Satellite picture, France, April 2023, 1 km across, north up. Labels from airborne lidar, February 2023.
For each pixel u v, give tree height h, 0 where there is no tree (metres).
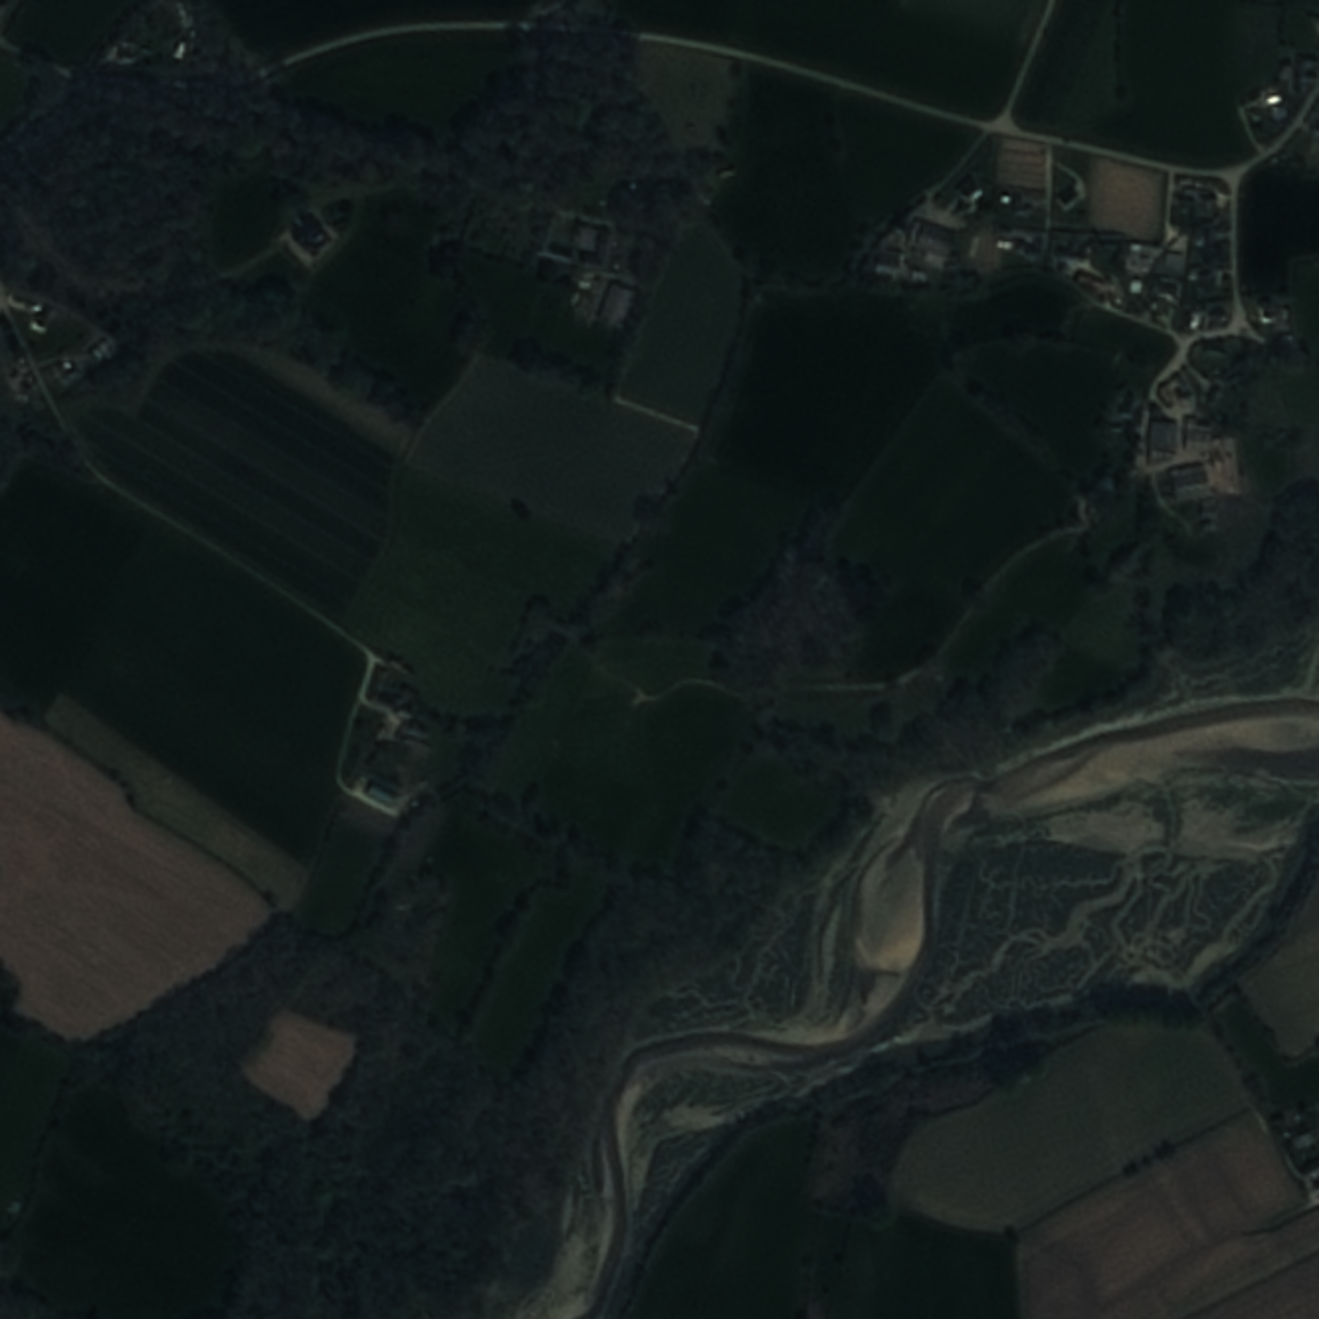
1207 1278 0
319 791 0
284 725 0
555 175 32
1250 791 0
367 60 0
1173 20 0
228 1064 18
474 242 8
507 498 0
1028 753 0
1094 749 0
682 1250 0
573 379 15
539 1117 22
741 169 0
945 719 18
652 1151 0
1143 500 8
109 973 0
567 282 8
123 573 0
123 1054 6
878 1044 0
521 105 28
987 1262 0
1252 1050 0
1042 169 0
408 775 0
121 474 0
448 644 0
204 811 0
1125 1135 0
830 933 0
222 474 0
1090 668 0
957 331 0
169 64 7
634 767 0
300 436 0
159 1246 0
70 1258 0
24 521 0
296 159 29
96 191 25
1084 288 10
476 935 0
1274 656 0
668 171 12
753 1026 0
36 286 17
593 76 33
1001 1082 22
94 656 0
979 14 0
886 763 21
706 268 0
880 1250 0
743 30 0
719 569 0
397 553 0
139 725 0
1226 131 0
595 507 0
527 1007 0
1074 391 0
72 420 0
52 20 0
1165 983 0
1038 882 0
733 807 0
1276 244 0
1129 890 0
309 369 23
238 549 0
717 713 0
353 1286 23
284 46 0
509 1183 13
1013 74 0
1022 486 0
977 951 0
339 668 0
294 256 0
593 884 0
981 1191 0
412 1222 24
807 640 21
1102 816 0
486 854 0
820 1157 0
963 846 0
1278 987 0
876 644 0
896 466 0
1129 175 0
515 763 0
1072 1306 0
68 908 0
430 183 23
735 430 0
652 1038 0
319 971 10
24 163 19
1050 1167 0
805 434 0
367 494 0
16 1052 0
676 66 0
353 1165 13
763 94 0
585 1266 0
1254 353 15
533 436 0
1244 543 0
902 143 0
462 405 0
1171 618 14
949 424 0
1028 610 0
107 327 14
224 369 0
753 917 17
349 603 0
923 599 0
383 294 0
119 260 30
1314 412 0
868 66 0
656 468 0
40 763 0
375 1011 17
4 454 20
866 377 0
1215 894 0
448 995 0
